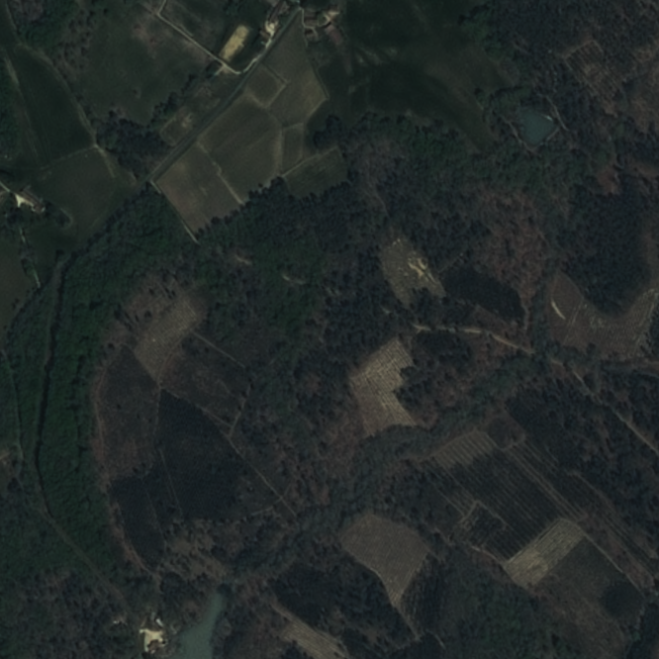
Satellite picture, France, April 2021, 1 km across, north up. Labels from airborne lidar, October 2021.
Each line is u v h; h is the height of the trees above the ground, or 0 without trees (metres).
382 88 0
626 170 25
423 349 9
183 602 24
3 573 22
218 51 0
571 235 24
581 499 9
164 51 0
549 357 11
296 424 21
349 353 20
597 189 27
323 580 7
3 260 0
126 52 0
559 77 22
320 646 0
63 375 27
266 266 19
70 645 12
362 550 0
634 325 0
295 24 0
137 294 14
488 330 9
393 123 12
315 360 21
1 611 22
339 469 12
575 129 24
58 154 0
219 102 0
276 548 11
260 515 7
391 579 0
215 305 0
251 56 0
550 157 20
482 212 15
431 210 11
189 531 18
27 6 14
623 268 23
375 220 10
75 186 0
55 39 21
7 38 0
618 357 13
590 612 0
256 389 14
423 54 0
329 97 0
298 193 0
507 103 22
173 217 19
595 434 23
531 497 7
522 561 0
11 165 0
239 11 6
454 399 10
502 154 24
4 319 0
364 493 18
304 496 21
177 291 0
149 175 14
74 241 0
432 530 14
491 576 15
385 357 0
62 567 22
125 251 25
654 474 10
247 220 19
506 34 23
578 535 0
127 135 13
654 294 0
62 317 23
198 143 0
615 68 22
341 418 11
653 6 24
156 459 6
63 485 24
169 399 8
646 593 11
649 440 0
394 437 20
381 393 0
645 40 26
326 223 13
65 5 19
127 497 8
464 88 0
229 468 9
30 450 15
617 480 14
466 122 0
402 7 0
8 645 23
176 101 13
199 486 9
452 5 0
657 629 14
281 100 0
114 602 14
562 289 0
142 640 0
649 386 24
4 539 18
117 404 0
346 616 21
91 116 12
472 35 18
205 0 0
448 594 15
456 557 18
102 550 23
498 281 6
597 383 17
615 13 31
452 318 9
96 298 21
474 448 0
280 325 23
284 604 10
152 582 15
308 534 12
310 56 0
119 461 0
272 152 0
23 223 12
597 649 0
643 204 11
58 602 10
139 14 0
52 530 21
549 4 24
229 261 17
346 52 0
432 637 9
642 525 18
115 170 0
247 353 6
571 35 26
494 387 22
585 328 0
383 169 6
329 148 17
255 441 15
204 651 0
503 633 15
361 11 0
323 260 15
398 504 12
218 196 0
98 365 11
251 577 11
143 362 0
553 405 18
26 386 22
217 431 9
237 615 17
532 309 9
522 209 10
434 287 0
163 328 0
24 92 0
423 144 24
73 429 16
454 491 7
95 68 0
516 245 10
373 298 9
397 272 0
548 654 16
